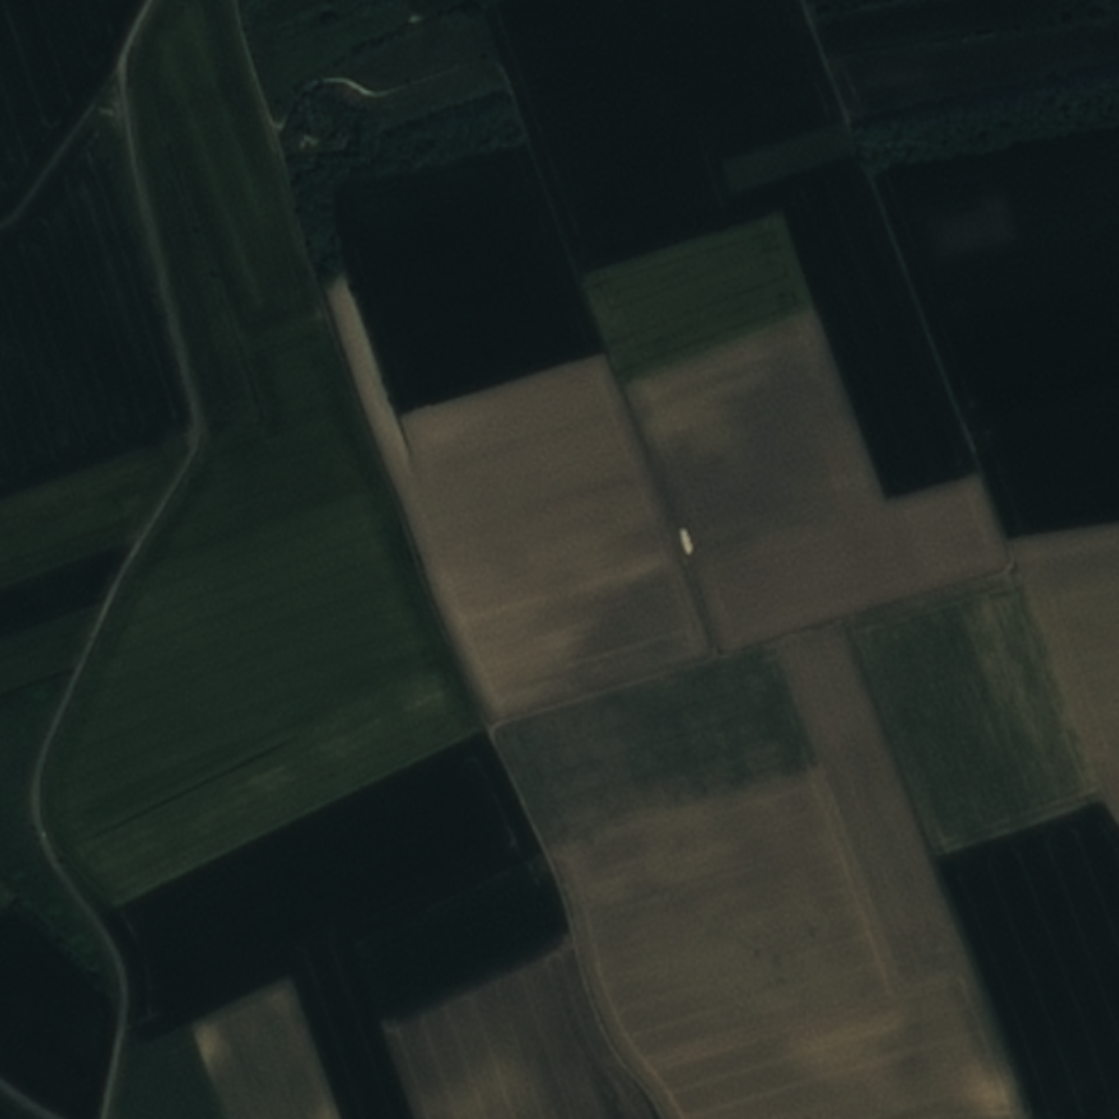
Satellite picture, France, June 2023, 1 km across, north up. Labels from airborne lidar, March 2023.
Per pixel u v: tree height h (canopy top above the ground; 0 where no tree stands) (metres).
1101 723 0
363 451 0
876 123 14
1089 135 0
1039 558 0
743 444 0
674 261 0
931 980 0
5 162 0
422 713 0
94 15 0
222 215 0
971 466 0
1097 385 0
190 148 0
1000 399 0
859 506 0
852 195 0
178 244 0
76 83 0
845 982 0
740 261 0
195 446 0
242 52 0
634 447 0
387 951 0
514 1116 0
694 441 0
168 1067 0
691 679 0
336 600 0
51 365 0
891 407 0
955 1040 0
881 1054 0
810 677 0
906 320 0
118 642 0
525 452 0
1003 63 0
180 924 0
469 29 0
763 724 0
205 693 0
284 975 0
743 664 0
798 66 0
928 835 0
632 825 0
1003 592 0
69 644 0
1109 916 0
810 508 0
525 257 0
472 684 0
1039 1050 0
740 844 0
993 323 0
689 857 0
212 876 0
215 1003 0
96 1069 0
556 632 0
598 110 0
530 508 0
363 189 0
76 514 0
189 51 0
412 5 0
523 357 0
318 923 0
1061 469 0
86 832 0
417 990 0
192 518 0
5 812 0
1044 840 0
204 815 0
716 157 0
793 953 0
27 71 0
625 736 0
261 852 0
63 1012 0
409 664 0
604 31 0
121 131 0
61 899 0
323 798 0
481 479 0
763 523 0
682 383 0
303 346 0
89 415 0
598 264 0
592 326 0
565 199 0
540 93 0
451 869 0
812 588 0
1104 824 0
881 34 0
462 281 0
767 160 0
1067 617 0
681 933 0
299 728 0
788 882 0
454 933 0
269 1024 0
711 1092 0
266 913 0
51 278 0
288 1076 0
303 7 0
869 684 0
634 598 0
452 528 0
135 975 0
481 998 0
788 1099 0
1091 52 0
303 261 0
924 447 0
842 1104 0
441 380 0
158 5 0
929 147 13
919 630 0
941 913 0
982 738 0
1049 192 0
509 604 0
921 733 0
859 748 0
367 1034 0
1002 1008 0
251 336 0
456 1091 0
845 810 0
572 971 0
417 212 0
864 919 0
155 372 0
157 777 0
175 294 0
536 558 0
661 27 0
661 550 0
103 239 0
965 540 0
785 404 0
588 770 0
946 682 0
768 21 0
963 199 0
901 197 0
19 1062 0
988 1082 0
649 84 0
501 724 0
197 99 0
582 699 0
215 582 0
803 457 0
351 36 0
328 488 0
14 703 0
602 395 0
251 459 0
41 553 0
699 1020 0
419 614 0
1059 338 0
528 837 0
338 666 0
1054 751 0
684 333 0
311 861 0
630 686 0
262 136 0
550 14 0
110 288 0
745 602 0
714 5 0
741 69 0
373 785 0
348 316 0
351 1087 0
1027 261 0
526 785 0
